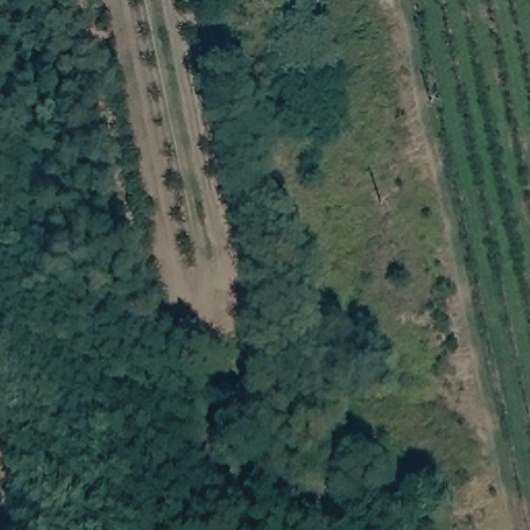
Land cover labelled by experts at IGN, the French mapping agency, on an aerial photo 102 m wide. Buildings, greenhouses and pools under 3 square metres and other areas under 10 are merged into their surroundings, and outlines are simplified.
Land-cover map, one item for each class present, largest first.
<instances>
[{"label":"deciduous trees","instance_id":"1","mask_svg":"<svg viewBox=\"0 0 530 530\"><path fill-rule=\"evenodd\" d=\"M327 12V6L317 4L315 0H288L282 6L273 8L271 21L261 23L265 29L263 52L257 54L248 66H244L242 43L230 50H222L215 46L207 52V56L201 58L188 50L184 56V66L195 77V91L201 97L203 108V124L207 126L205 135L199 137V147L203 153H207L205 174L215 178L217 195L226 205V222L230 228L228 242L236 253V279L246 288V304L240 315L234 317L232 333H222L207 321H203L197 313L188 319H174L168 313L159 311V304L168 300V292L159 277L157 259L153 255L155 201L145 190L141 178V151L135 145L133 128L128 122L124 70L118 62L116 39H101L91 35L89 31L95 25L99 29H106L110 25V10L106 6V0H0V85L8 87L10 95L17 99V108L0 110V530H439L435 526L433 516L439 509V503L447 487L441 480H437L435 472L420 468L416 472H410L406 474L398 493H385L381 487H366V474L375 468V462L379 458H383L371 441H354L348 435L340 441L337 447H331V431L337 424L346 422V414L350 408L348 400L373 391L375 385L385 383L387 377L395 375V369L387 366L391 340L379 331V321L371 311L366 315L358 313L350 319L348 304H342L335 315H321V292L311 288V284L323 271V261L317 255V236L306 224H302L296 211H292L284 203V190L271 178V172L277 170L273 164V149L284 137L294 141L311 139V147L300 151L298 155L296 172L300 184L321 186L325 180L323 172L319 170L323 147L331 141H337V137L342 135V120L348 116L350 110L346 81L342 79L346 62L337 60L335 64H325L321 68L306 66L304 70L284 68L288 43L284 33H304V27L308 23H315L319 14ZM66 48H70L75 56L62 58L60 70H79L75 79L60 81L52 70V62L56 54ZM97 93H104L108 97L110 110L114 112V120H106L99 116ZM112 164L120 166L122 172L124 193H118V199L124 207V213L133 211V217H128L122 226L112 224L108 209L110 195L116 193L110 172ZM236 358L246 362V389L261 391L263 402L232 404L230 408L217 410V437L213 441L207 437L205 416L209 404L222 400V391L215 385H211L209 379L215 373L234 371ZM232 460H236L240 466L253 462L257 468H263L265 472L261 480H257L255 487L244 493L228 487L224 478L217 474V466L230 464ZM306 472H319L323 476L325 495H329L342 507V516H325L321 511V505L308 501L302 509H294L288 505L292 497L306 493V489L300 484V478ZM232 0H174L176 10L193 12L197 17V25L180 23V35L186 39L188 46L197 41L199 27L219 25L224 21V14ZM400 8L412 23V52L416 72H437L439 93L435 95V108L439 114V126L433 133L439 139V151L443 157L441 176V184L447 190L453 209L451 219L455 226L453 248L458 261L466 267L470 284L468 323L472 327V344L476 350L480 346H491L499 366L501 387L505 389V395L501 398L503 404L493 410V414L499 420V429L495 431V449L499 458L501 478L507 491H513L518 497H524L530 503V0H398ZM164 182H166V186H168V188H182V178H180V174L176 172V170H166V174H164ZM178 251L186 255L193 251V240L186 232H178ZM455 286L445 275L433 282L429 290V300L420 304V313H431L433 317L426 325H422L424 333H433L437 329L447 335L441 344L439 354L433 360V375L445 373L451 364L449 356L455 352L458 344L449 325L447 298L453 296Z\"/></svg>","mask_w":530,"mask_h":530},{"label":"brushwood","instance_id":"2","mask_svg":"<svg viewBox=\"0 0 530 530\"><path fill-rule=\"evenodd\" d=\"M288 0H232L224 14V21L219 25L199 27L197 41L188 46V50L201 58L207 56V52L215 46L222 50H230L242 43L244 66H248L257 54L263 52L265 29L261 23L271 21L273 8L282 6ZM317 4L327 6V12L319 14L315 23H308L304 27V33H284L288 43L284 68L304 70L306 66L321 68L325 64H335L337 60L346 62L342 79L346 81L350 110L348 116L342 120V135L337 137V141H331L323 147L319 170L323 172L325 180L321 186L300 184L296 172L298 155L300 151L311 147V139L294 141L284 137L273 149V164L277 170L271 172V178L284 190V203L292 211H296L302 224H306L317 236V255L323 261V271L311 284V288L321 292V315H335L342 304H348L350 319L358 313L366 315L371 311L379 321V331L391 340L387 366L395 369V375L387 377L385 383L375 385L373 391L348 400L350 408L346 414V422L337 424L331 431V447H337L340 441L348 435L354 441H371L383 458H379L375 462V468L366 474V487H381L385 493H398L406 474L410 472H416L420 468L435 472L437 480H441L447 487L439 503V509L433 516L435 526L439 530H478L474 526L472 516H453V495L460 493L464 484L470 480L468 470L472 468V464H476L480 443L476 439V433L466 422V418L460 412H455L462 404L464 381L458 379L455 366L451 364L445 373L433 375V360L439 354L441 344L447 335L437 329L433 333H424L422 325H426L433 317L431 313H420V304L429 300V290L433 282L445 275L441 261L437 259V248L443 240L441 222L447 217L451 219L453 209L447 190L441 184V176L437 180H420V170L404 155V149L410 141V133L406 128V110L402 108L400 91L389 72L393 62L385 54L387 48L393 46V29L379 6V0H315Z\"/></svg>","mask_w":530,"mask_h":530},{"label":"herbaceous vegetation","instance_id":"3","mask_svg":"<svg viewBox=\"0 0 530 530\"><path fill-rule=\"evenodd\" d=\"M106 6L110 10V25L106 29H99L95 25L89 31L91 35L101 39H116L118 62L124 70L128 122L133 128L135 145L141 151V178L145 190L155 201L153 255L157 259L159 277L168 292V300L159 304V311L168 313L174 319H188L197 313L203 321H207L222 333H232L234 317L240 315L246 304V288L236 279V253L228 242L230 228L226 222V205L217 195L215 178L205 174L207 153H203L199 147V137L205 135L207 126L203 124V108L201 97L195 91V77L184 66V56L188 50V46L186 39L180 35V23L197 25V17L193 12L176 10L174 0H106ZM166 170H176V172L180 174V178H182V188H168V186H166V182H164V174H166ZM178 232H186L193 240V251L186 255L178 251ZM379 6L393 29V46L387 48L385 54L393 62L389 72L400 91L402 108L406 110V128L410 133V141L404 149V155L420 170V180H437L441 176L443 157L439 151V139L433 133L439 126V114L435 108V95L439 93L437 72H416L412 52V23L400 8L398 0H379ZM75 56L70 48H66L56 54L52 62V70L60 81L75 79L79 70H60L62 58ZM17 108V99L10 95L8 87L0 85V110ZM99 116L106 120H114V112L110 110L108 97L104 93H97ZM110 172L116 193L110 195L108 209L112 224L122 226L128 217H133V211L124 213V207L118 199V193H124L122 172L120 166L112 164ZM443 240L437 248V259L441 261L445 275L455 286L453 296L447 298L449 325L458 344L455 352L449 356L451 364L455 366L458 379L464 381L462 404L455 412H460L466 418V422L476 433V439L480 443L476 464H472V468L468 470L470 480L464 484L460 493L453 495V516H472L474 526L478 530H530V503L524 497H518L513 491H507L501 478L499 458L495 449V431L499 429V420L493 414V410L503 404L501 398L505 395V389L501 387L499 366L491 346H480L476 350L472 344V327L468 323L470 284L466 267L458 261L453 248L455 226L451 219L447 217L441 222ZM246 362L236 358L234 371L215 373L209 379L211 385H215L222 391V400L209 404L205 416L207 437L213 441L217 437V410L230 408L232 404L263 402L261 391L246 389ZM265 472L263 468H257L253 462L240 466L236 460H232L230 464L217 466V474L224 478L228 487L244 493L255 487L257 480H261ZM300 484L306 489V493L292 497L288 505L294 509H302L308 501L321 505V511L325 516H342V507L329 495H325L323 476L319 472H306L300 478Z\"/></svg>","mask_w":530,"mask_h":530}]
</instances>
